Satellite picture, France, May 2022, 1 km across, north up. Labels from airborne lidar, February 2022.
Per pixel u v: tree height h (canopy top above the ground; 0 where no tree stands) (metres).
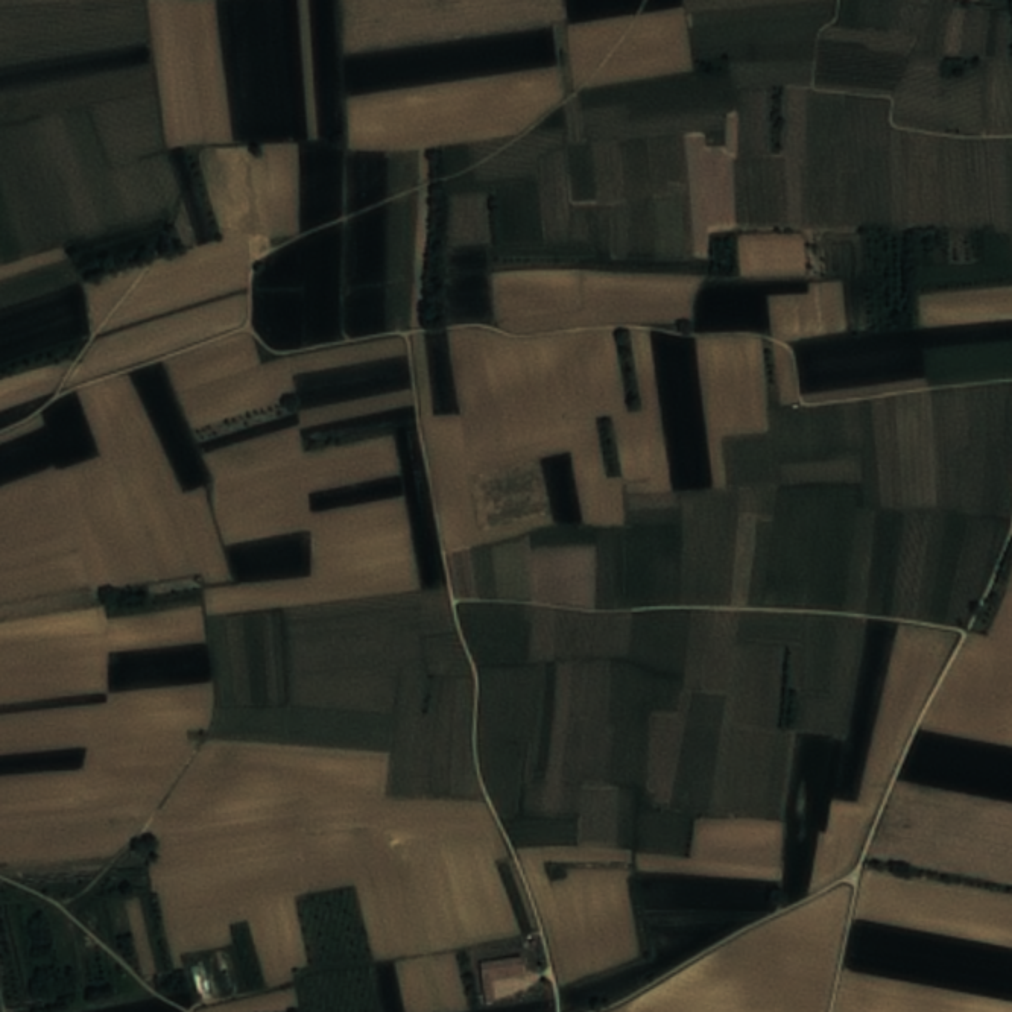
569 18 0
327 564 0
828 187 0
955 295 0
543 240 0
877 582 0
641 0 0
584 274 0
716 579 0
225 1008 0
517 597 0
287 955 0
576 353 0
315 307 0
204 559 0
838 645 0
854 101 0
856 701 0
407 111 0
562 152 0
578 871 0
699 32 0
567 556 0
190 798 0
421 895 0
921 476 0
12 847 0
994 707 0
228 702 0
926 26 0
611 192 0
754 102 0
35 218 0
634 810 0
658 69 0
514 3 0
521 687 0
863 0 0
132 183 0
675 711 0
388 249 0
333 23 0
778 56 0
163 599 0
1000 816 0
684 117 0
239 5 0
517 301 0
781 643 0
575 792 0
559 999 0
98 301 0
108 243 0
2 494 0
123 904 0
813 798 0
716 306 0
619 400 0
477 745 0
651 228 0
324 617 0
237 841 0
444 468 0
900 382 0
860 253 0
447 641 0
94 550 0
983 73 0
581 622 0
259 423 0
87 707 0
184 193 0
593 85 0
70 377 0
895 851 0
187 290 0
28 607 0
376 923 0
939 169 0
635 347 0
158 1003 0
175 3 0
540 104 0
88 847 0
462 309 0
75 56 0
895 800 0
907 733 0
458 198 0
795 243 0
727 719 0
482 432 0
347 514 0
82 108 0
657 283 0
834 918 0
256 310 0
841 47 0
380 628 0
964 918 0
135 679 0
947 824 0
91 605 0
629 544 0
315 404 0
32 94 0
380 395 0
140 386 0
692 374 0
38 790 0
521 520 0
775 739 0
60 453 0
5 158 0
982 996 0
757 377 0
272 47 0
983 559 0
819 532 0
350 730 0
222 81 0
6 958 0
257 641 0
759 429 0
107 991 11
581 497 0
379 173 0
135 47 0
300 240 0
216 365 0
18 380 0
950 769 0
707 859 0
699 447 0
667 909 0
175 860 0
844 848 0
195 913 0
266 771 0
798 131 0
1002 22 0
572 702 0
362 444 0
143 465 0
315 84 0
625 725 0
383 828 0
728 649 0
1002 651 0
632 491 0
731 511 0
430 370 0
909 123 0
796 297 0
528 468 0
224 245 0
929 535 0
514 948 0
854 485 0
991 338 0
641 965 0
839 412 0
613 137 0
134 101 0
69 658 0
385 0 0
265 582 0
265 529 0
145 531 0
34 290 0
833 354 0
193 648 0
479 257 0
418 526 0
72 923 0
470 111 0
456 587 0
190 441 0
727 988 0
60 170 0
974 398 0
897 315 10
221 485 0
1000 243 0
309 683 0
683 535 0
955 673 0
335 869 0
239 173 0
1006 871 0
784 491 0
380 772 0
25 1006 0
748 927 0
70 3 0
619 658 0
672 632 0
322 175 0
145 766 0
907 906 0
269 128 0
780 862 0
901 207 0
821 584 0
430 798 0
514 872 0
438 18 0
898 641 0
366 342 0
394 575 0
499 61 0
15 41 0
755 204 0
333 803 0
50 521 0
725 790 0
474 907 0
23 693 0
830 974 0
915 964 0
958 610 0
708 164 0
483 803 0
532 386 0
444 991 0
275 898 0
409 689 0
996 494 0
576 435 0
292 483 0
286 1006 0
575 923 0
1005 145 0
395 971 0
